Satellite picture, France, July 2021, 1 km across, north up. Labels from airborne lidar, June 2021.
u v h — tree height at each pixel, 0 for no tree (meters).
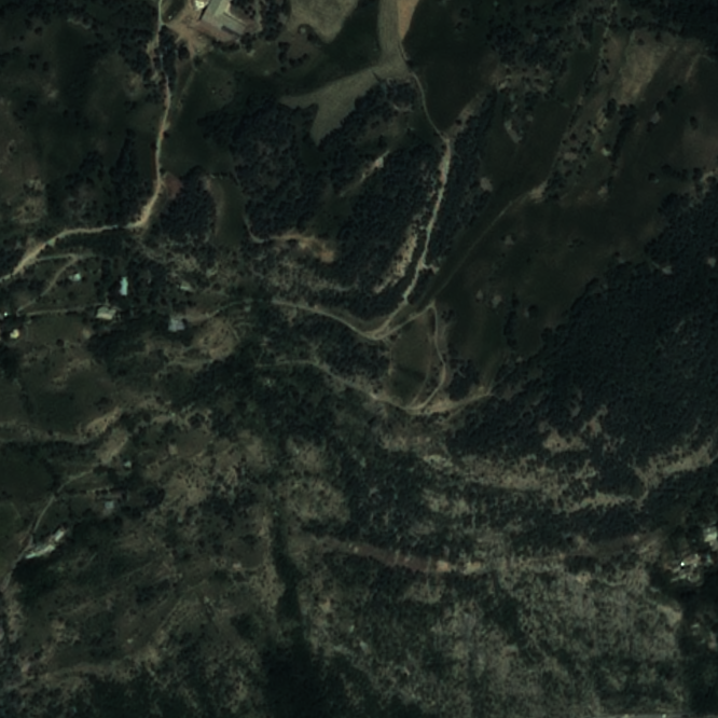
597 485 7
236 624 8
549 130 0
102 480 0
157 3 0
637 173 0
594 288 8
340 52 0
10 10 11
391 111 7
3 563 0
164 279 7
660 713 0
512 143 0
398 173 9
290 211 11
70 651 0
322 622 0
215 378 16
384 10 0
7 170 0
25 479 0
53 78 0
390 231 9
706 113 0
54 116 0
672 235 13
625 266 13
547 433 7
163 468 0
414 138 11
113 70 0
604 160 0
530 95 7
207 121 10
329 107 0
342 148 8
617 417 12
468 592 5
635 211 0
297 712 14
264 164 6
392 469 6
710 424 8
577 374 16
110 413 0
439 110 0
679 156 0
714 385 6
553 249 0
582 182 0
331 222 0
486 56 0
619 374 13
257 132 11
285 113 10
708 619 10
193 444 0
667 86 0
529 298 0
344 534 7
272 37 12
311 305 6
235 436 6
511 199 0
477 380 11
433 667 11
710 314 13
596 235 0
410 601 6
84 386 0
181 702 9
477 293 0
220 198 0
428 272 7
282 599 8
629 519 11
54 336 0
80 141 0
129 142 17
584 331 17
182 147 0
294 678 14
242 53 0
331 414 8
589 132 7
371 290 8
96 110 0
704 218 14
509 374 8
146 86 8
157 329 9
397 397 0
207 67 0
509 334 14
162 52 10
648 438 11
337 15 0
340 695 11
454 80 0
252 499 9
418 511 9
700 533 11
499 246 0
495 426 11
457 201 10
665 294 18
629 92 0
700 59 0
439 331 0
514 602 7
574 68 0
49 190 10
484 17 0
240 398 7
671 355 13
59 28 0
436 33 0
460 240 0
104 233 6
